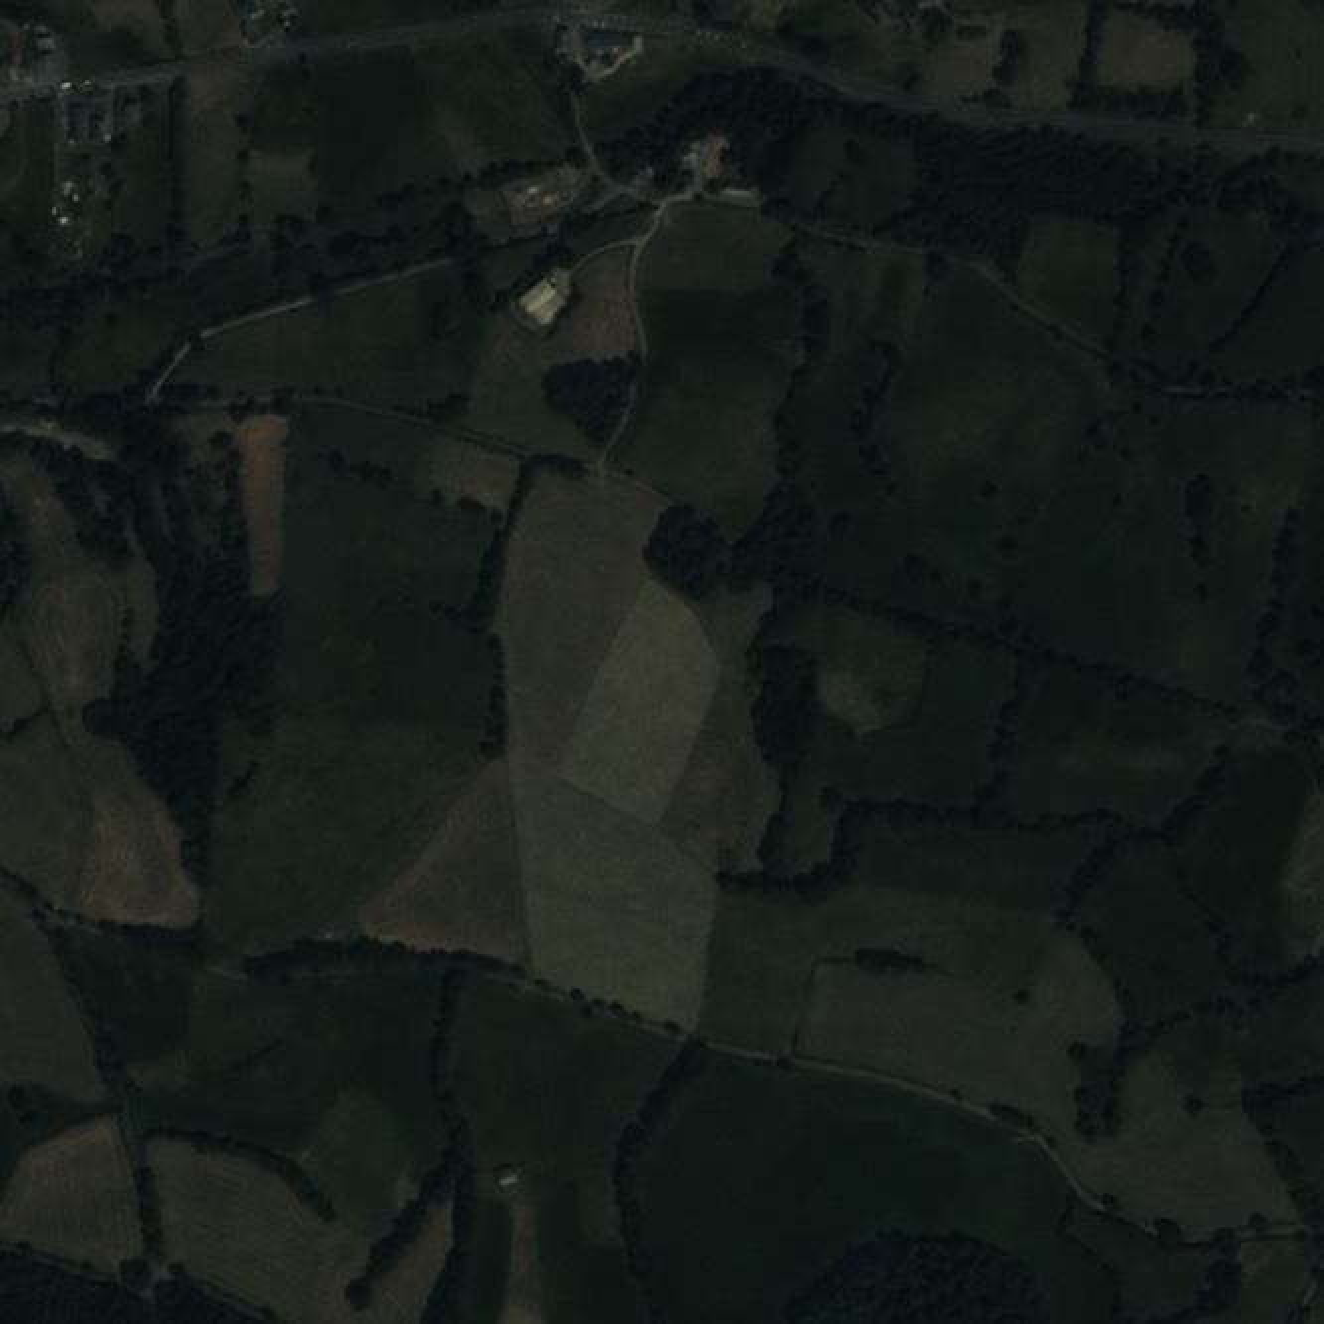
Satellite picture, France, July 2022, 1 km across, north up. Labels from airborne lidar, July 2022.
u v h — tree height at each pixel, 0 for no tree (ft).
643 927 0
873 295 0
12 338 0
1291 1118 0
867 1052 0
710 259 0
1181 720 0
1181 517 0
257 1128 0
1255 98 0
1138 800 0
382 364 0
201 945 31
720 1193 0
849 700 0
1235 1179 0
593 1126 0
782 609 27
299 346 0
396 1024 0
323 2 0
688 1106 0
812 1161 0
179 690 67
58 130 0
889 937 0
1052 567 0
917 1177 0
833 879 54
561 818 0
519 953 0
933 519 0
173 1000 0
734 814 0
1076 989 0
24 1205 0
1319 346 0
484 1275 0
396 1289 0
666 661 0
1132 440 0
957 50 0
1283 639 57
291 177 0
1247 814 0
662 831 0
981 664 0
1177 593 0
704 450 0
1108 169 28
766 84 47
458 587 0
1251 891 0
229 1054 0
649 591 0
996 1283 76
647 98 0
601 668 0
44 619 0
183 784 59
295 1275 0
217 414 0
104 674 0
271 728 40
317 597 0
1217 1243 37
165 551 40
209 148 0
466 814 0
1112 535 0
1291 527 38
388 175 0
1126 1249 0
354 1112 0
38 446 52
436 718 0
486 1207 0
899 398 0
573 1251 0
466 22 0
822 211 30
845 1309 96
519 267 0
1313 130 0
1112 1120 39
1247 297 0
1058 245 0
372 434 0
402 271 28
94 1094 0
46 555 0
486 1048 0
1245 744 0
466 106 0
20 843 0
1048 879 0
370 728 0
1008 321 0
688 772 0
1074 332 0
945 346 0
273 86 0
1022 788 0
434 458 0
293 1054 0
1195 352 0
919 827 43
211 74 0
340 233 0
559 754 0
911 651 0
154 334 0
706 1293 0
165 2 27
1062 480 0
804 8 0
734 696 0
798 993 0
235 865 0
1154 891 0
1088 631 0
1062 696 0
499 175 41
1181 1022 38
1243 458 0
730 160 30
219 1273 0
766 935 0
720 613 0
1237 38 0
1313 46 0
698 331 0
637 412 0
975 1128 0
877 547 0
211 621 77
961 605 0
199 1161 0
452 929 0
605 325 0
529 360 0
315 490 0
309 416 0
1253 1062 0
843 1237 0
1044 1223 0
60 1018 0
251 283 0
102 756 0
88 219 0
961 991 0
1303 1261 0
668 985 0
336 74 0
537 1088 0
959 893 0
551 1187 0
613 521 0
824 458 0
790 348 0
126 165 0
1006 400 0
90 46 0
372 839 0
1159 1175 0
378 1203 0
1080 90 29
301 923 0
